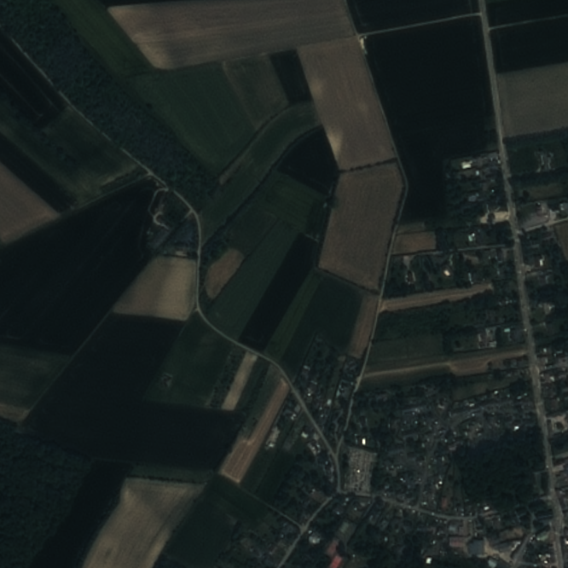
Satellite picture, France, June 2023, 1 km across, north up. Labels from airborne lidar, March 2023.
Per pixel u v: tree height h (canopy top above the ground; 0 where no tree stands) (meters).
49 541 0
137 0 0
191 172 8
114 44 0
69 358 0
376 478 12
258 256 0
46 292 0
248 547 0
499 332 10
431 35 0
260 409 0
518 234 0
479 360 0
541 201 0
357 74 0
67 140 0
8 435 18
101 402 0
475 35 0
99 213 0
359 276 0
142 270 0
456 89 0
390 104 0
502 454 27
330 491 14
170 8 0
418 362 0
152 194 0
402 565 13
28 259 0
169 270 0
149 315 0
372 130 0
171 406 0
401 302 0
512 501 19
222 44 0
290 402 7
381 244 0
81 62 13
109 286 0
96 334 0
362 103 0
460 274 6
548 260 0
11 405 0
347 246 0
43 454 20
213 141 0
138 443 0
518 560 0
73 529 0
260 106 0
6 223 0
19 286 0
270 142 0
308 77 0
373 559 11
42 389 0
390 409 8
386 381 0
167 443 0
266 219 0
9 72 0
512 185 18
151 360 0
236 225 0
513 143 16
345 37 0
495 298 17
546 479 11
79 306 0
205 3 0
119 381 0
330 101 0
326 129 0
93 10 0
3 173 0
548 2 0
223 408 0
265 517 0
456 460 17
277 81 0
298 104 0
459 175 8
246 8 0
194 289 0
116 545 0
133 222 0
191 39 0
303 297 0
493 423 0
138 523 0
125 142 8
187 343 0
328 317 0
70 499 18
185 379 0
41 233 0
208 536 0
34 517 18
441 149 0
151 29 0
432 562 11
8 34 14
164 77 0
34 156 0
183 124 0
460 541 0
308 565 15
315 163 0
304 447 0
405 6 0
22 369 0
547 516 0
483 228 10
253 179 0
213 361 0
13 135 0
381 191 0
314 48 0
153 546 0
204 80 0
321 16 0
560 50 0
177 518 0
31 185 0
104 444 0
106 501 0
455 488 7
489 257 0
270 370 0
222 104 0
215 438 0
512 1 0
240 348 0
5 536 22
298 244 0
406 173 0
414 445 5
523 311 0
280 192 0
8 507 18
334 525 9
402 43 0
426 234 0
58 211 0
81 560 7
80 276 0
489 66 0
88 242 0
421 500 0
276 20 0
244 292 0
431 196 0
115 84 7
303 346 0
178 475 0
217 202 0
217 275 0
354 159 0
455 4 0
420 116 0
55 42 14
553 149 0
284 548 0
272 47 0
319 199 0
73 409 0
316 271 0
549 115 0
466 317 5
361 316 0
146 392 0
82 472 12
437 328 8
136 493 0
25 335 0
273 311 0
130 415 0
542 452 19
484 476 28
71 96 12
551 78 0
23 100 0
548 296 18
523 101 0
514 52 0
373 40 0
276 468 0
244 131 0
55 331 0
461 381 7
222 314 0
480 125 0
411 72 0
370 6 0
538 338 12
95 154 0
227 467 0
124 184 0
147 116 6
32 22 8
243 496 0
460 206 9
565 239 0
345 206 0
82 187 0
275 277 0
